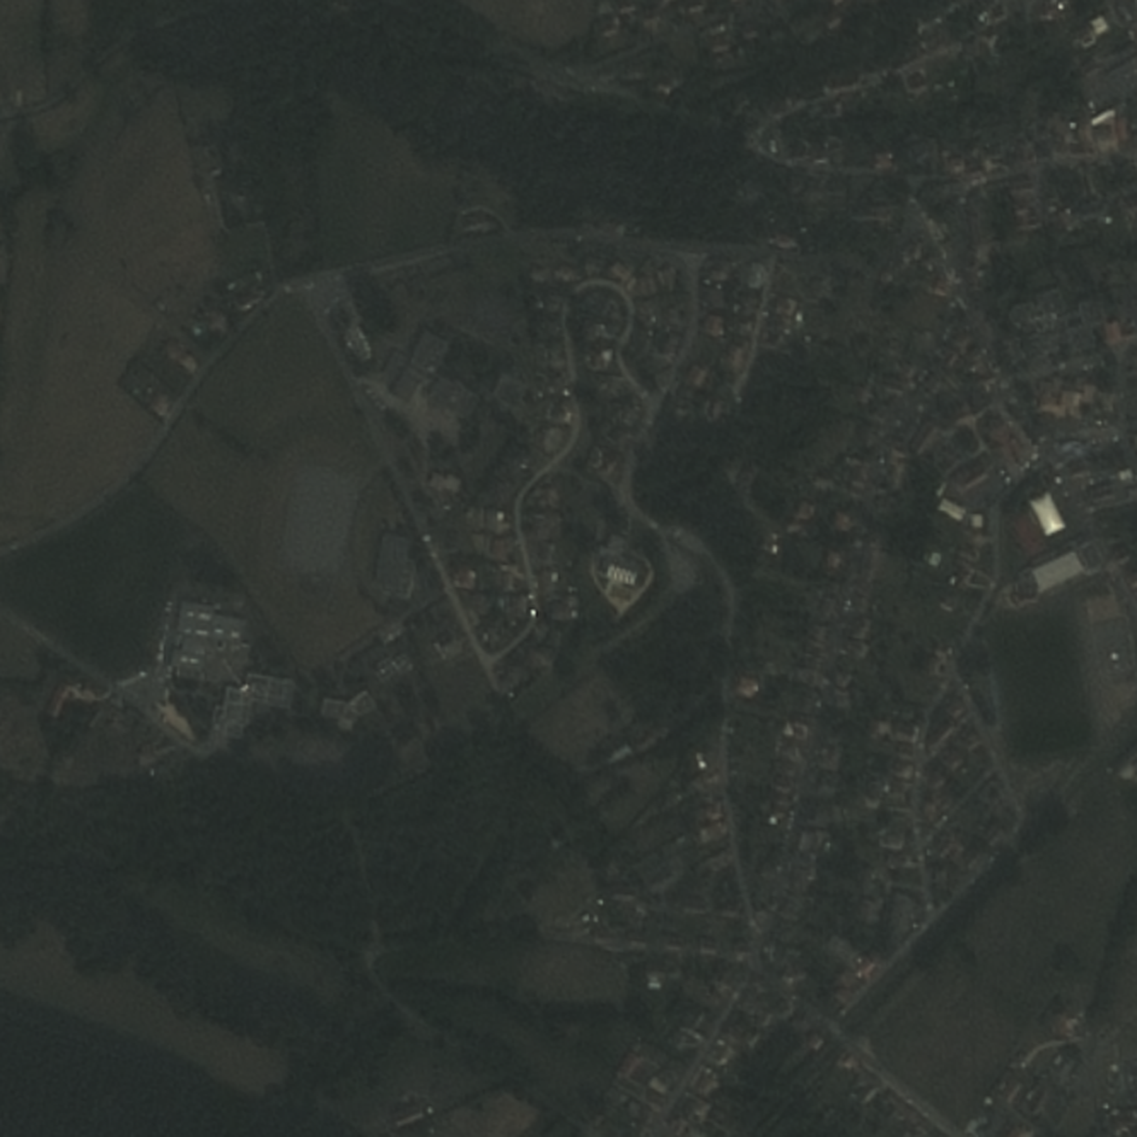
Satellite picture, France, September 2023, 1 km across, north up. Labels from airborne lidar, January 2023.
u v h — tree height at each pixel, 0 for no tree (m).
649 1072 0
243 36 19
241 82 9
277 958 0
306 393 0
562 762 8
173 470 0
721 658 20
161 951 23
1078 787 0
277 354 0
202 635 0
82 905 17
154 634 0
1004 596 0
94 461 0
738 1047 0
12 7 0
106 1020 0
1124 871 0
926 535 18
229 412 0
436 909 10
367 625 0
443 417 0
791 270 0
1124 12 0
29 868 21
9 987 0
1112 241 0
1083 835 0
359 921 14
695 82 9
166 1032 0
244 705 0
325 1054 18
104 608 0
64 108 0
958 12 9
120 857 10
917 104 0
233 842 17
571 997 0
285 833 13
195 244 0
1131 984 0
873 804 0
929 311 0
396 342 0
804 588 0
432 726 12
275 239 0
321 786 20
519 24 0
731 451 6
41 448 0
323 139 0
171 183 0
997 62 0
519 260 0
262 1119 22
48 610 0
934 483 6
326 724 16
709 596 9
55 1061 20
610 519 16
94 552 0
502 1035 0
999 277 14
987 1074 0
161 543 0
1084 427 0
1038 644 0
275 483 0
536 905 0
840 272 13
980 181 0
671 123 15
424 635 0
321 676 11
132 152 0
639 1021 15
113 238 0
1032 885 0
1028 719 0
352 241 0
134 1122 20
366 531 0
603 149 20
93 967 14
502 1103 0
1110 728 0
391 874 17
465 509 0
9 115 0
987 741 0
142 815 18
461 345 9
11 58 0
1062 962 13
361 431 0
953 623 0
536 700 0
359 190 0
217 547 0
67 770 0
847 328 0
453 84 0
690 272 0
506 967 0
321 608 0
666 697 11
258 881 14
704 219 10
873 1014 0
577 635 7
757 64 6
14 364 0
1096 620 0
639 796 0
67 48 0
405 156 0
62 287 0
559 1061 0
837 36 12
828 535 22
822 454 0
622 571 0
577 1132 7
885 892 14
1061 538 0
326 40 20
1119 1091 0
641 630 0
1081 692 0
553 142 18
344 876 12
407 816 10
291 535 0
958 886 0
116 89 0
